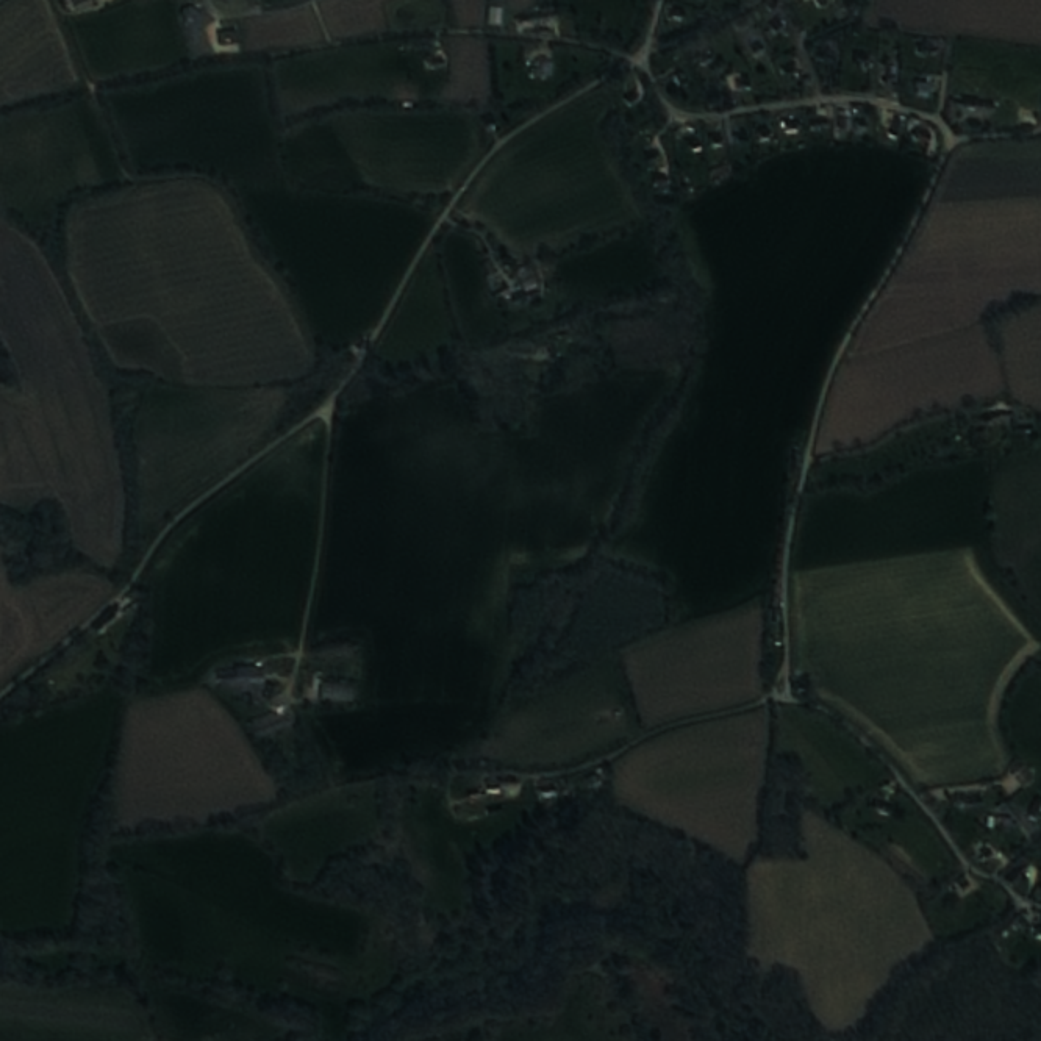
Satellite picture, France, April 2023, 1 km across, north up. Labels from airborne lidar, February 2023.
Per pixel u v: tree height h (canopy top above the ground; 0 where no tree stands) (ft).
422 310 0
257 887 0
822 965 0
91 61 0
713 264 0
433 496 0
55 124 0
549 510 0
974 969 48
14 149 0
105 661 31
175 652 0
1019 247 0
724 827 0
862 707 0
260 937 0
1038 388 0
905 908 0
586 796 22
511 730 0
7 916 0
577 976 19
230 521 0
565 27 0
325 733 0
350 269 0
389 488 0
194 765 0
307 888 29
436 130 0
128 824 0
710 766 0
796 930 0
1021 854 22
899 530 0
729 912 80
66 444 0
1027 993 52
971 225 0
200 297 0
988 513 34
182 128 0
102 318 0
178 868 0
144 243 0
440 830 0
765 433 0
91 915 60
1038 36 0
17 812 0
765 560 0
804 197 0
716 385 0
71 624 0
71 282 26
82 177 0
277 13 0
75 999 0
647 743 0
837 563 0
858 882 0
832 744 0
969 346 0
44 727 0
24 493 0
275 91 36
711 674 0
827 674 0
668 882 84
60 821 0
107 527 0
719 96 44
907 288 0
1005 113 0
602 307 23
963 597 0
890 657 0
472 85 0
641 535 0
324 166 0
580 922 82
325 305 0
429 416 0
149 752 0
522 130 0
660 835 68
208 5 0
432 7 0
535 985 89
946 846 21
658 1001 0
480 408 47
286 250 0
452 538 0
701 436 0
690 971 70
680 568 0
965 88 0
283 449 0
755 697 0
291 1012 52
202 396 0
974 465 0
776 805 34
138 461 28
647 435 31
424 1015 79
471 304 0
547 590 42
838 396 0
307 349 0
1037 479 0
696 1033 65
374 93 0
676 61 0
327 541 0
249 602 0
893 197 0
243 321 0
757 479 0
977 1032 59
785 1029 75
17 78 0
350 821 0
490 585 0
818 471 26
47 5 0
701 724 0
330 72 0
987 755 0
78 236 0
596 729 0
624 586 32
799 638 0
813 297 0
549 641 52
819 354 0
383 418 0
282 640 0
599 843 100
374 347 39
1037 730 0
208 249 0
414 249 0
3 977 64
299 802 39
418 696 0
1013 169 0
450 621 0
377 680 0
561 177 0
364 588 0
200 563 0
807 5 0
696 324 40
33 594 0
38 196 0
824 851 0
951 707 0
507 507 0
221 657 0
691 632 0
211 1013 0
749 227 0
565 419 0
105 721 0
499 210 0
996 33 0
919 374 0
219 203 0
